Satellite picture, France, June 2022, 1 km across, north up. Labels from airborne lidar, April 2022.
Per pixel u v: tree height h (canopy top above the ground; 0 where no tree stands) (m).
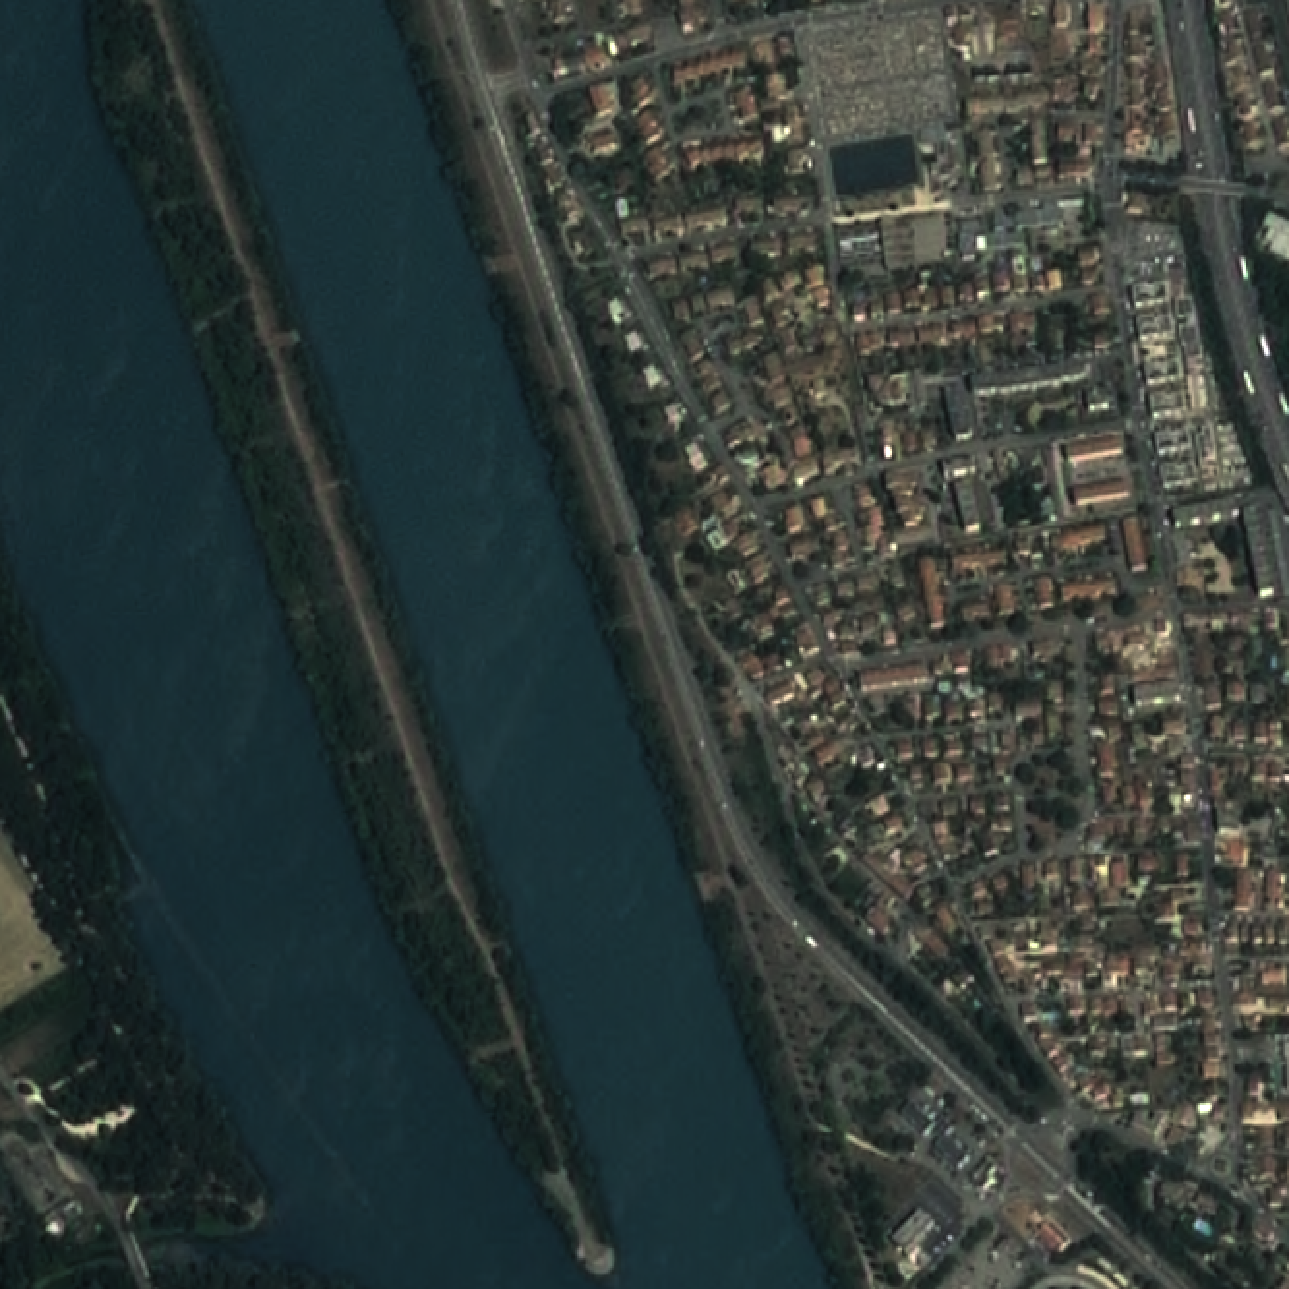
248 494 11
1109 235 0
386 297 0
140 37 12
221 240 13
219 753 0
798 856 7
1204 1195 10
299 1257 0
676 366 0
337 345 0
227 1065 0
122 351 0
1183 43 0
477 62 0
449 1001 14
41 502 0
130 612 0
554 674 0
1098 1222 0
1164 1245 14
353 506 8
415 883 12
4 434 0
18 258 0
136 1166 10
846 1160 10
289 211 0
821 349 6
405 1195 0
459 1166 0
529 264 0
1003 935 6
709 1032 0
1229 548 11
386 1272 0
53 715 15
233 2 0
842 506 0
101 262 0
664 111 0
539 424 9
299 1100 0
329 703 8
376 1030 0
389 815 14
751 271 9
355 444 0
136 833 0
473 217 11
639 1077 0
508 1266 0
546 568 0
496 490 0
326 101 0
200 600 0
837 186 0
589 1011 0
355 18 0
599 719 0
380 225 0
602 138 0
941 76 0
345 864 0
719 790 0
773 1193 0
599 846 0
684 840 12
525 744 0
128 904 0
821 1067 11
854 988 0
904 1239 0
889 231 0
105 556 0
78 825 11
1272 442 0
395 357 0
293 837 0
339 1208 0
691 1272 0
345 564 0
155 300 0
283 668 0
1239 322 0
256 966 0
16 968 0
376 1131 0
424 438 0
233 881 0
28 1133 7
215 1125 22
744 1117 0
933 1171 0
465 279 0
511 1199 0
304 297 0
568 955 0
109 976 21
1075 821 6
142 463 0
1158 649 0
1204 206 0
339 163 0
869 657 10
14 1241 6
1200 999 0
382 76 0
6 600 9
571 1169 8
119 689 0
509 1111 12
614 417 6
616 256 0
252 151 0
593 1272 0
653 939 0
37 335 0
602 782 0
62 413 0
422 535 0
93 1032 16
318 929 0
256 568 0
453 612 0
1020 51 0
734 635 8
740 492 0
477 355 0
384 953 0
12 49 0
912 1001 18
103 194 0
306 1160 0
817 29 0
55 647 0
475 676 0
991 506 0
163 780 0
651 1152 0
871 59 0
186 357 0
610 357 17
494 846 0
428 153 0
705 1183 0
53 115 0
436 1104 0
